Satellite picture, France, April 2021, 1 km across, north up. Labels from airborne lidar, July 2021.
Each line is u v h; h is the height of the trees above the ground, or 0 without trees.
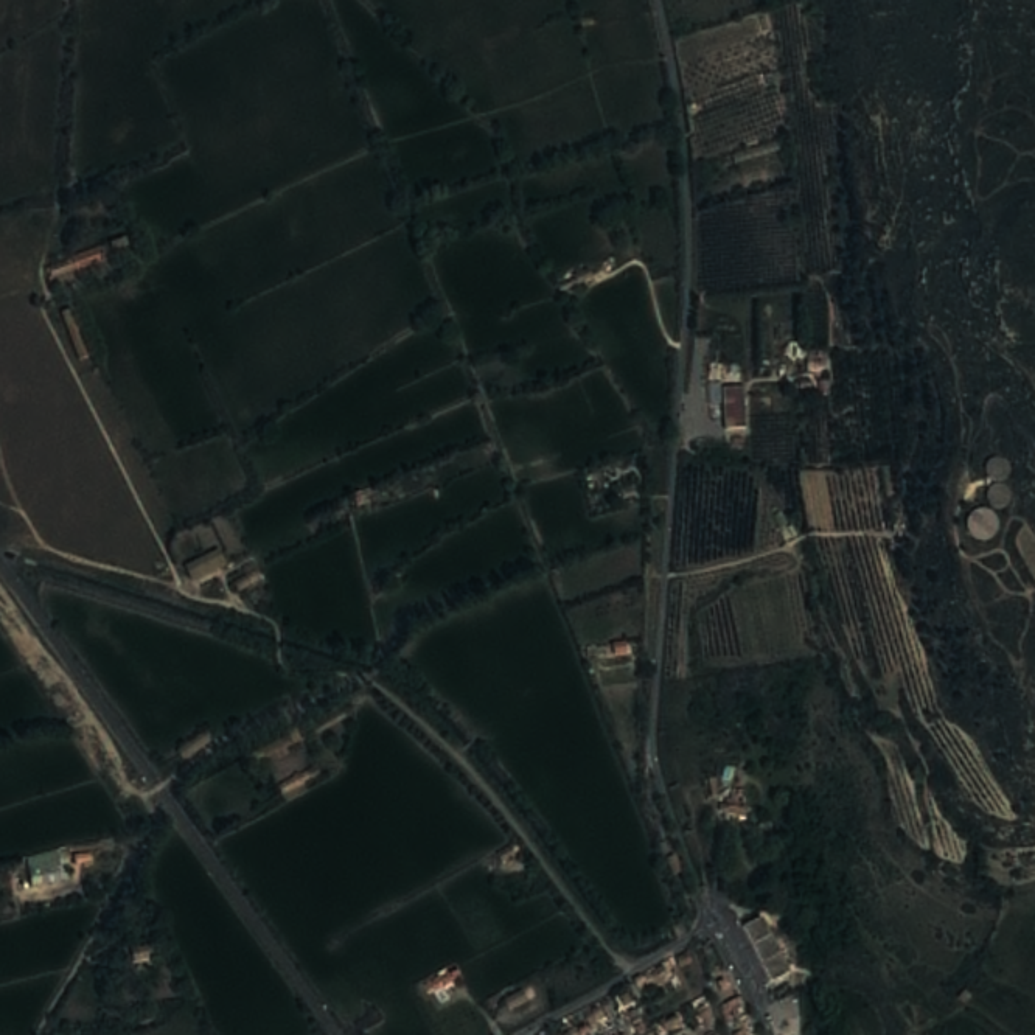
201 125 0
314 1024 7
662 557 0
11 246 0
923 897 0
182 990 18
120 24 0
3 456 0
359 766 0
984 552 0
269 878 0
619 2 0
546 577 15
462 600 25
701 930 0
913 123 0
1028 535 0
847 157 14
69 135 8
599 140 12
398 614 0
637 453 6
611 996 6
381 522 0
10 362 0
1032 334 0
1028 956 0
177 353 0
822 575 9
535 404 0
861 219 16
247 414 0
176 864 0
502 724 0
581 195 7
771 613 0
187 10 0
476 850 0
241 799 0
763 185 9
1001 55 0
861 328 11
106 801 0
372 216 0
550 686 0
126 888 12
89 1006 0
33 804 0
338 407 0
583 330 7
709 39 0
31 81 0
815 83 8
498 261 0
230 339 0
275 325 0
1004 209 0
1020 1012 0
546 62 0
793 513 11
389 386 0
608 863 0
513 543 0
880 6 0
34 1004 0
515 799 9
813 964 11
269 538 0
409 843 0
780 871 8
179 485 0
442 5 0
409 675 27
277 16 0
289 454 0
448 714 8
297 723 20
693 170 9
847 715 9
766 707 9
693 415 0
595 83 0
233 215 0
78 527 0
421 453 0
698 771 0
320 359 0
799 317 13
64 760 0
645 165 0
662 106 9
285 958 0
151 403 0
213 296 0
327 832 0
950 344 0
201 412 0
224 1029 0
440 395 0
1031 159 0
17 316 0
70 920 0
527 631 0
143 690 0
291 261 0
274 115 0
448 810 0
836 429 6
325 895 0
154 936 10
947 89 0
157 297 0
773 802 11
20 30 0
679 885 12
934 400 14
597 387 0
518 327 0
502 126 11
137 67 0
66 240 9
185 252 0
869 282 8
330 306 0
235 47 0
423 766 0
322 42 0
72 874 10
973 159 0
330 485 0
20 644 0
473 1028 0
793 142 9
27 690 0
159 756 8
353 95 7
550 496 0
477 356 7
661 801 14
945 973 0
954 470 0
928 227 0
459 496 0
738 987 0
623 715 0
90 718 0
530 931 0
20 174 0
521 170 12
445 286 0
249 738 17
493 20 0
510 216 20
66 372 0
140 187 0
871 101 0
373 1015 6
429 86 0
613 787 0
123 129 0
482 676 0
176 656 0
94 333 19
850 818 5
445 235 16
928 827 0
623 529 0
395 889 0
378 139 14
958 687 10
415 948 0
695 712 6
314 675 12
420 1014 0
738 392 0
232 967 0
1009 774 0
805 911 16
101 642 0
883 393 5
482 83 0
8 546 0
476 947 0
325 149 0
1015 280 0
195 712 0
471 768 0
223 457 0
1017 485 0
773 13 12
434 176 0
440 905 0
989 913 0
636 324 0
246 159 0
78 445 0
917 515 12
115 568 0
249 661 0
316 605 0
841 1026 10
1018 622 0
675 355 8
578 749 0
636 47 0
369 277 0
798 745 8
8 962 0
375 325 0
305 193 0
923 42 0
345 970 0
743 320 0
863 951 7
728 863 20
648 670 12
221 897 0
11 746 24
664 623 0
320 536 7
